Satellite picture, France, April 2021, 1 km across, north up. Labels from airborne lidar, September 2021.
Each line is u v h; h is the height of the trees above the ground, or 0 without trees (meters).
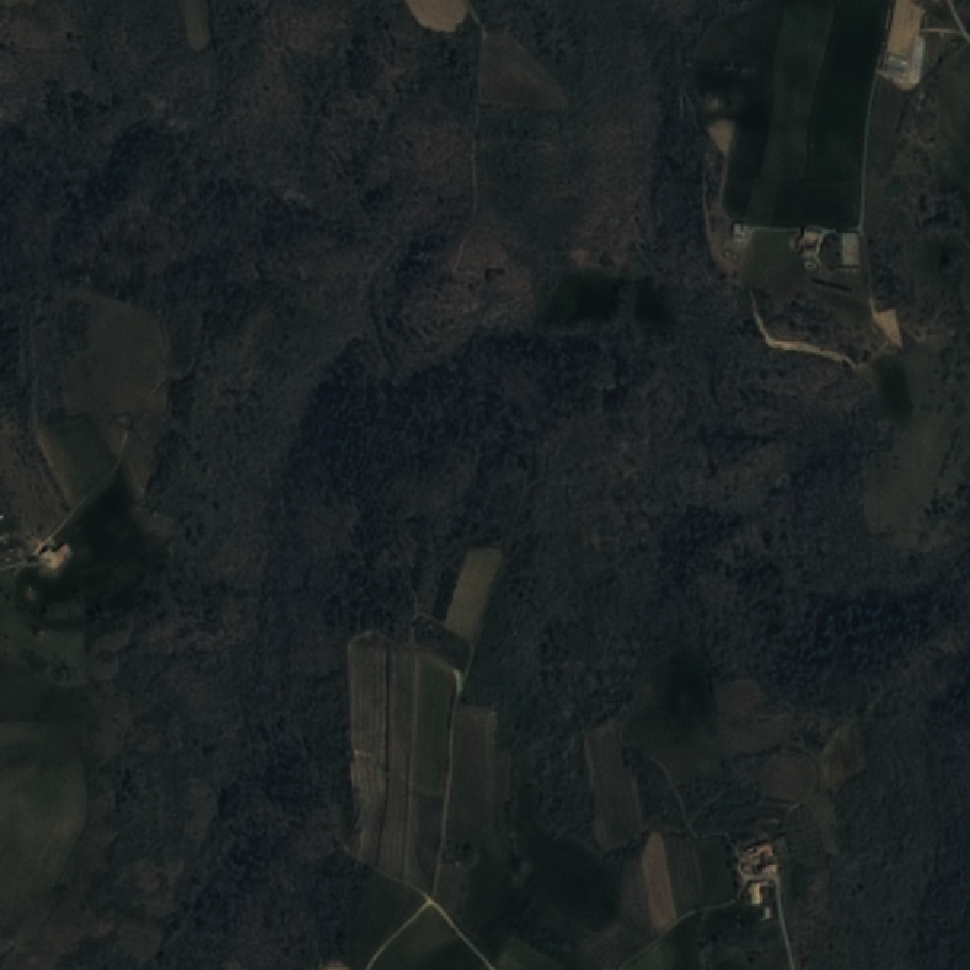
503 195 10
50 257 16
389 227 8
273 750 10
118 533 0
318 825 6
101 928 0
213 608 11
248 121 7
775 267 0
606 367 14
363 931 0
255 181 14
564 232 8
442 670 0
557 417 12
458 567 8
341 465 14
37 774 0
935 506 10
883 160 0
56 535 0
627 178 6
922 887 15
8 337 11
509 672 6
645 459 18
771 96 0
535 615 10
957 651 14
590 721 8
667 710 0
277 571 9
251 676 16
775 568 15
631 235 13
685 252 6
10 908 0
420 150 8
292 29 7
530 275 6
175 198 21
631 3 14
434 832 0
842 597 13
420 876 0
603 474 17
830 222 0
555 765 14
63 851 0
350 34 6
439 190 7
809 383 9
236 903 7
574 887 0
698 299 7
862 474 9
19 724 0
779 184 0
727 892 0
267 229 11
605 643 7
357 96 7
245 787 22
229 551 7
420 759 0
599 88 10
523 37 6
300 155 10
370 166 16
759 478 14
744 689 0
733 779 7
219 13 10
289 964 7
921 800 15
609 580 7
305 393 9
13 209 14
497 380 15
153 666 14
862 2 0
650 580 21
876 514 0
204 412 10
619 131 7
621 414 17
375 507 14
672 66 8
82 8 7
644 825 0
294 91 15
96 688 0
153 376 0
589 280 0
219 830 12
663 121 13
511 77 0
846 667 7
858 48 0
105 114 24
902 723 10
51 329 11
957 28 0
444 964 0
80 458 0
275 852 14
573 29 6
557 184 6
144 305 8
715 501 9
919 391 0
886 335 0
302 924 10
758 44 0
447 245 7
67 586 0
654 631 14
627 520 18
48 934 0
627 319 20
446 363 11
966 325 7
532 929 5
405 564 7
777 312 7
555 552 7
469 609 0
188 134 10
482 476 9
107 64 6
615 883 0
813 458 16
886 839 7
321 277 11
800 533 10
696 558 12
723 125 0
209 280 16
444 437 17
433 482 11
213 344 10
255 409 9
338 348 7
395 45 9
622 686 7
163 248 15
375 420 14
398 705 0
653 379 15
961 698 7
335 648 8
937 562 14
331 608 10
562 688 11
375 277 8
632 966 0
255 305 15
